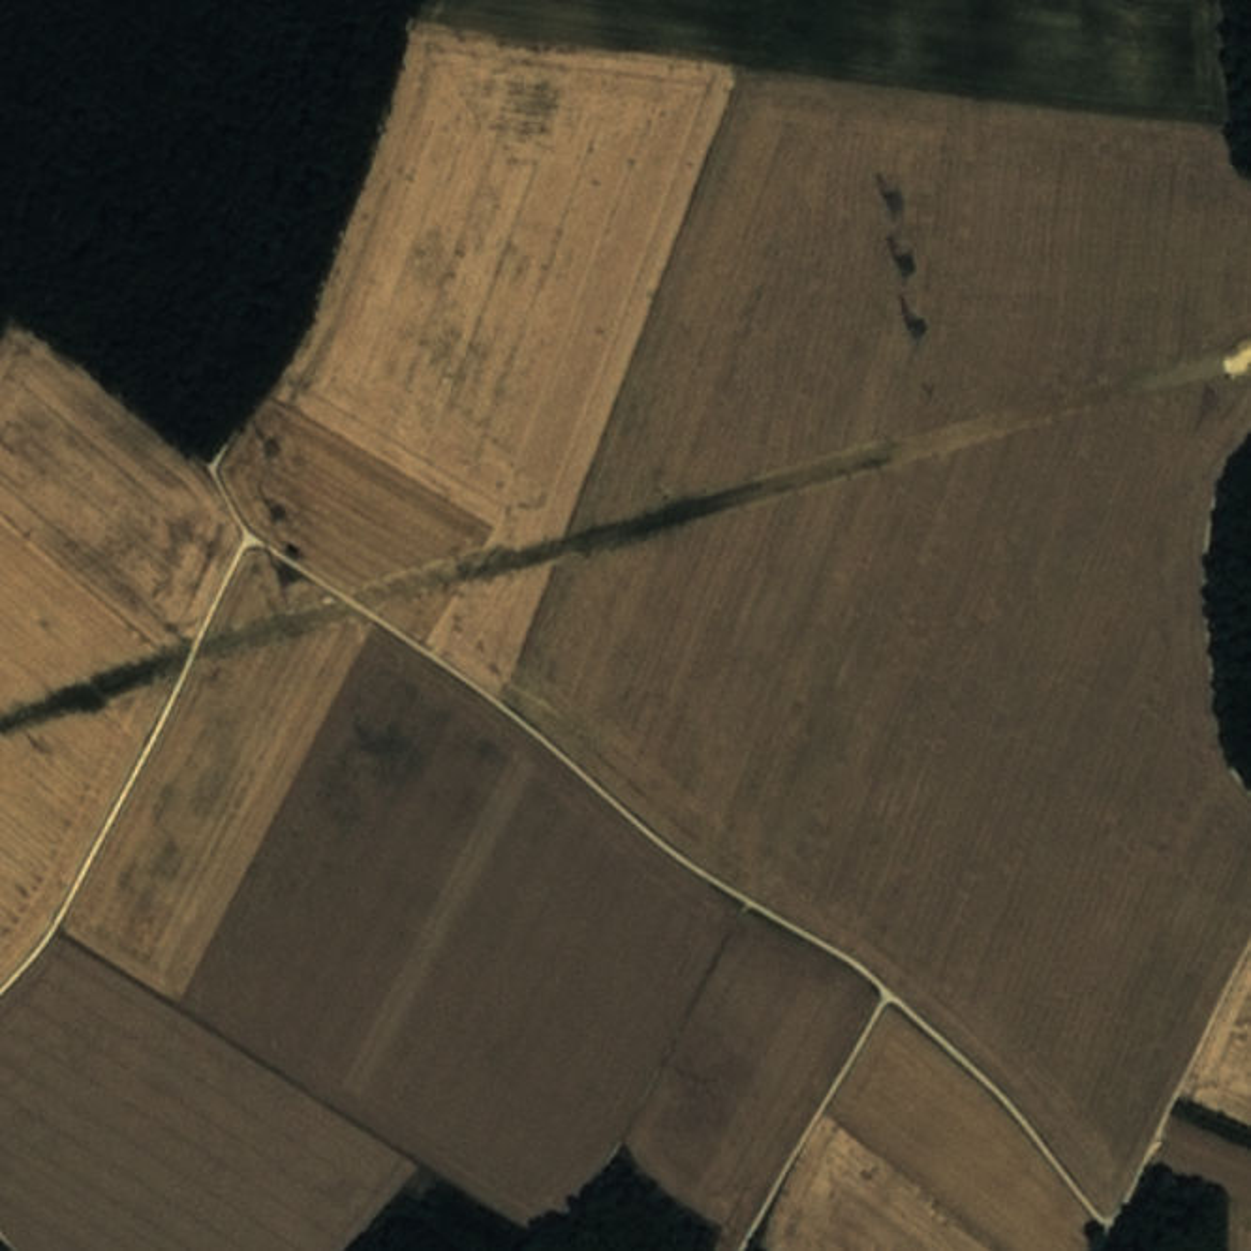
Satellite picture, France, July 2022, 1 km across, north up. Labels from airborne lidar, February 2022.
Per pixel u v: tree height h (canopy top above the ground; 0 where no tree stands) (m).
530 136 0
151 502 0
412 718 0
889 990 0
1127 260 0
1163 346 0
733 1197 0
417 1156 0
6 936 0
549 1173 0
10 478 0
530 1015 0
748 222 0
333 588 0
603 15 0
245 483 0
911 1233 0
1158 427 0
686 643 0
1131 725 0
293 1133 0
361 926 0
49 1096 0
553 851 0
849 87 0
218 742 0
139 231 29
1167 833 0
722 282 0
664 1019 0
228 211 24
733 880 0
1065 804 0
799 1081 0
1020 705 0
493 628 0
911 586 0
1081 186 0
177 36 29
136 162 29
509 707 0
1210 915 0
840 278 0
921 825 0
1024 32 0
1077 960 0
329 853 0
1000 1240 0
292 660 0
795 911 0
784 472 0
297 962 0
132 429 0
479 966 0
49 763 0
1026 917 0
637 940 0
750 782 0
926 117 0
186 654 0
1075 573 0
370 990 0
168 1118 0
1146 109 0
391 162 0
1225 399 0
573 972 0
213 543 0
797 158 0
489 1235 9
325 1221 0
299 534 0
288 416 0
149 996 0
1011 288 0
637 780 0
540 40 0
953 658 0
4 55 31
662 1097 0
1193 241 0
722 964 0
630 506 0
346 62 24
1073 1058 0
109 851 0
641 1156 0
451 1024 0
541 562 0
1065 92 0
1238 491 16
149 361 18
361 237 0
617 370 0
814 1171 0
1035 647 0
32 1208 0
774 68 0
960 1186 0
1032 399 0
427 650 0
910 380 0
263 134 30
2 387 0
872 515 0
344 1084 0
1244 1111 0
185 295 29
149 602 0
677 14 0
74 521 0
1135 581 0
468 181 0
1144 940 0
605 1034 0
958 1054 0
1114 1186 0
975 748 0
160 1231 0
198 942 0
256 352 25
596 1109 0
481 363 0
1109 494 0
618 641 0
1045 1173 0
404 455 0
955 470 0
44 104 29
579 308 0
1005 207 0
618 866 0
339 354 0
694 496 0
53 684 0
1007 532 0
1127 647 0
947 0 0
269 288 30
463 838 0
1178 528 0
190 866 0
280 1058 0
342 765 0
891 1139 0
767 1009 0
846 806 0
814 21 0
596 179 0
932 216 0
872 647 0
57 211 29
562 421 0
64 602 0
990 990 0
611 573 0
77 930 0
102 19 28
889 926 0
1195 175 0
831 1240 0
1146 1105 0
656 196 0
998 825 0
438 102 0
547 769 0
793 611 0
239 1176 0
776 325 0
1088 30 0
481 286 0
